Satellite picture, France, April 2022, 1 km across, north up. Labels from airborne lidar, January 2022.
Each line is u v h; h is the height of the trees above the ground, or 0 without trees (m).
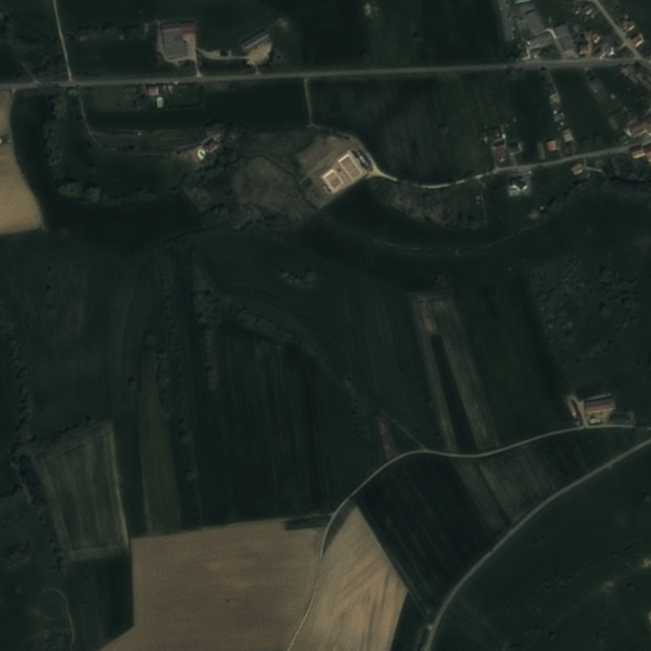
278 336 8
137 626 0
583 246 0
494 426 0
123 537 0
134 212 0
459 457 0
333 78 0
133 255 0
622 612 0
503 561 0
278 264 0
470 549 0
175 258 0
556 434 0
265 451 0
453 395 0
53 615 0
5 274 0
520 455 0
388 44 0
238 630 0
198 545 0
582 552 0
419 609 0
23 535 0
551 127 0
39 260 0
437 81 0
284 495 0
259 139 0
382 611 0
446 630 0
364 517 0
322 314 0
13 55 0
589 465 0
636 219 0
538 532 0
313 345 0
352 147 0
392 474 0
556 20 0
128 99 0
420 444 0
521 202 0
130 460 0
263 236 9
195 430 0
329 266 0
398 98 0
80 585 0
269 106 0
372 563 0
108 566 0
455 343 0
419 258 0
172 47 0
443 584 0
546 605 0
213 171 13
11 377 0
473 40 0
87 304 0
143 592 0
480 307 0
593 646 0
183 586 0
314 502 0
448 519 0
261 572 0
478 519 0
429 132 0
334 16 0
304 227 0
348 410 0
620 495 0
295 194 0
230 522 0
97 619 0
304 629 0
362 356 0
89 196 18
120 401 0
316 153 0
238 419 0
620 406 0
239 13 0
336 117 0
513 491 0
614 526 0
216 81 0
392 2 0
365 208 0
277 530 0
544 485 0
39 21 0
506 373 0
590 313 0
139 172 0
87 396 0
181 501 0
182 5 0
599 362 0
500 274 0
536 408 0
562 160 0
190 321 0
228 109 0
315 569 0
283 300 0
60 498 0
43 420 0
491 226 0
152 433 0
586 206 0
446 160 0
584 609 0
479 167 0
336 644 0
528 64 0
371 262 0
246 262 0
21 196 0
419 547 0
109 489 0
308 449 0
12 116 0
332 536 0
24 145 0
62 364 0
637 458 0
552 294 6
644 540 0
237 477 0
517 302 0
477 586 0
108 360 0
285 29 0
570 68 0
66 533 0
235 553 0
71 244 0
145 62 0
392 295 0
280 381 0
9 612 0
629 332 0
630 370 0
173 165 0
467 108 0
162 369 9
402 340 0
